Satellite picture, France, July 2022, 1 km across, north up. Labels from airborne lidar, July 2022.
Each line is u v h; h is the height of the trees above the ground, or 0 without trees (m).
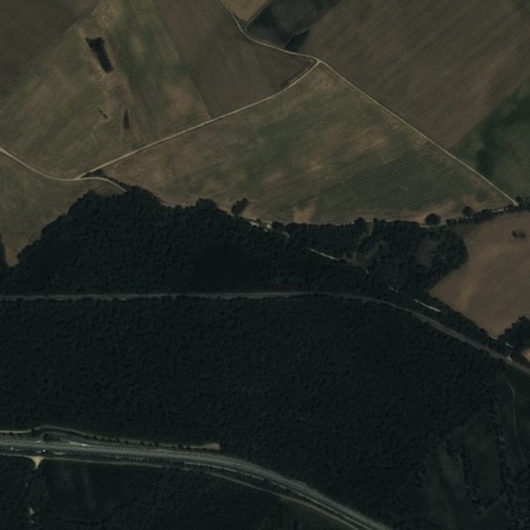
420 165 0
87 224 19
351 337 20
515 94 0
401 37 0
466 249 6
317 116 0
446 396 17
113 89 0
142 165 0
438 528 12
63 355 20
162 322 17
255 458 11
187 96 0
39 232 0
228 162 0
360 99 0
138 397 21
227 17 0
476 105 0
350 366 14
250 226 14
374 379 11
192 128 0
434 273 8
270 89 0
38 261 7
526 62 0
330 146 0
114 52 0
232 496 6
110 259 15
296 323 13
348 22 0
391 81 0
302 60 0
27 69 0
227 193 0
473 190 0
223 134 0
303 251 17
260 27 0
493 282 0
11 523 18
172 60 0
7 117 0
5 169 0
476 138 0
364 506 17
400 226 16
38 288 8
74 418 19
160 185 0
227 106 0
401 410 20
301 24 0
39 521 16
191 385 17
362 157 0
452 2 0
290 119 0
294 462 15
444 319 14
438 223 18
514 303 0
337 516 11
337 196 0
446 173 0
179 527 9
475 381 16
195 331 19
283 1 0
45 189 0
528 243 0
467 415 17
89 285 13
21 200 0
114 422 18
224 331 17
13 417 18
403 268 19
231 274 9
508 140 0
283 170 0
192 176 0
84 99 0
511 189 0
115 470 6
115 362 18
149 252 9
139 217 17
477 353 17
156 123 0
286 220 0
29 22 0
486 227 0
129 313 17
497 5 0
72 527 16
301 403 14
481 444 0
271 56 0
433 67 0
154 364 13
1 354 20
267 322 13
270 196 0
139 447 0
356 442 17
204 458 0
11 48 0
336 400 16
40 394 19
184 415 18
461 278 0
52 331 20
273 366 16
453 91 0
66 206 0
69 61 0
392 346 22
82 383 22
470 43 0
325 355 15
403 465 24
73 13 0
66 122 0
